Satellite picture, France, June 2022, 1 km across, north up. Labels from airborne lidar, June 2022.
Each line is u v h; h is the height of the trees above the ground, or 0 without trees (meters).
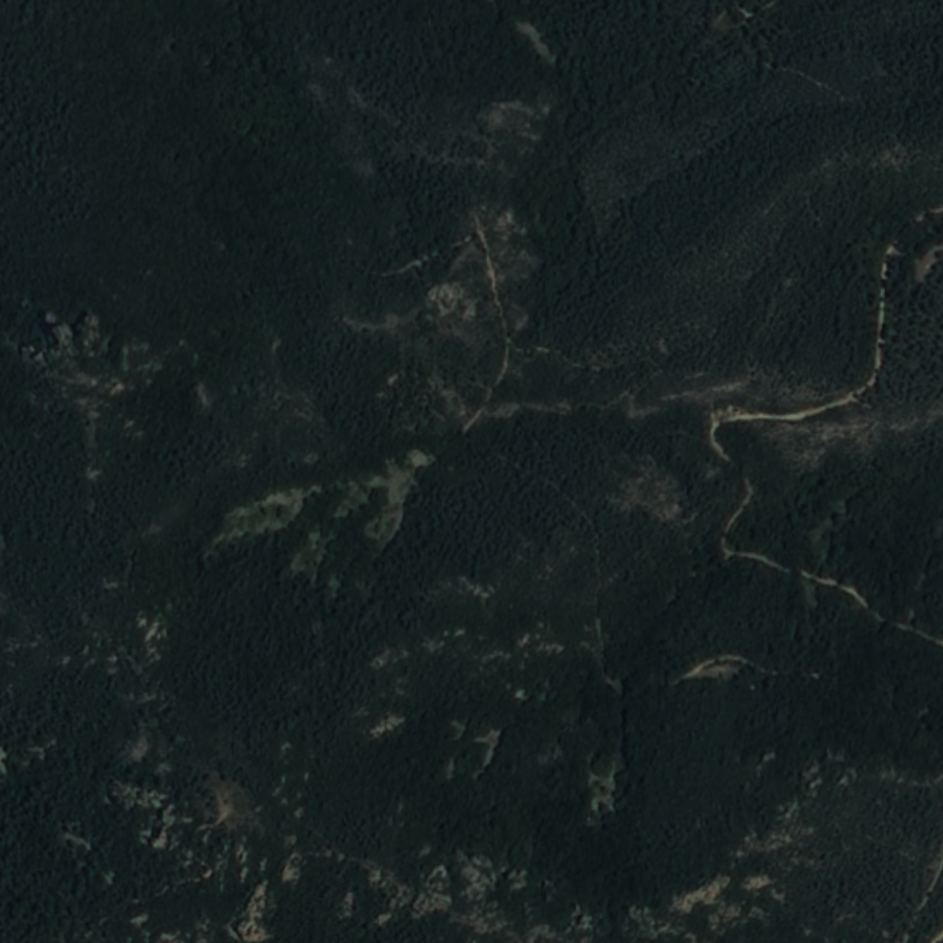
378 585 8
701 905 7
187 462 18
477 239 11
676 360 14
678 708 8
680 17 11
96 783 9
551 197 14
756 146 12
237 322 14
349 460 7
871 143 11
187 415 12
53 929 20
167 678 6
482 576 6
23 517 12
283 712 9
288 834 7
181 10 11
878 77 7
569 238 10
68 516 10
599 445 15
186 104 10
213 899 7
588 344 8
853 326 7
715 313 7
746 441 7
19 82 13
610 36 16
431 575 6
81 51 8
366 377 9
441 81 15
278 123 16
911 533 12
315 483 10
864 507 10
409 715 10
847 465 8
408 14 13
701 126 8
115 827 5
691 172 14
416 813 11
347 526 12
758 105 8
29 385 6
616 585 6
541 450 14
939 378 15
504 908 11
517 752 12
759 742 10
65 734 8
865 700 10
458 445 9
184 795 15
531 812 8
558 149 16
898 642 14
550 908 8
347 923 8
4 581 7
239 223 16
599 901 13
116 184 8
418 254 12
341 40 7
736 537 14
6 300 10
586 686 17
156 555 7
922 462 10
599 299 14
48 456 5
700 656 8
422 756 13
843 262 10
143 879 9
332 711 9
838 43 9
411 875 6
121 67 10
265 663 15
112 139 10
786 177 12
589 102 10
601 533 18
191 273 9
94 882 10
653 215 14
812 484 9
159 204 10
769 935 9
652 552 10
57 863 7
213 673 6
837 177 8
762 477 8
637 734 12
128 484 8
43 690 6
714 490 7
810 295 15
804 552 12
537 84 7
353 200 6
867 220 11
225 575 11
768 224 6
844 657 9
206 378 12
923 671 9
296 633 16
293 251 12
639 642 16
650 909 9
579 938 6
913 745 15
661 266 8
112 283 6
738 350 14
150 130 13
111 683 13
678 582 14
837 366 6
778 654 17
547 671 10
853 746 11
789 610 8
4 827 19
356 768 11
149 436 9
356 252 5
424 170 15
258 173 18
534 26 7
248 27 9
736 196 13
